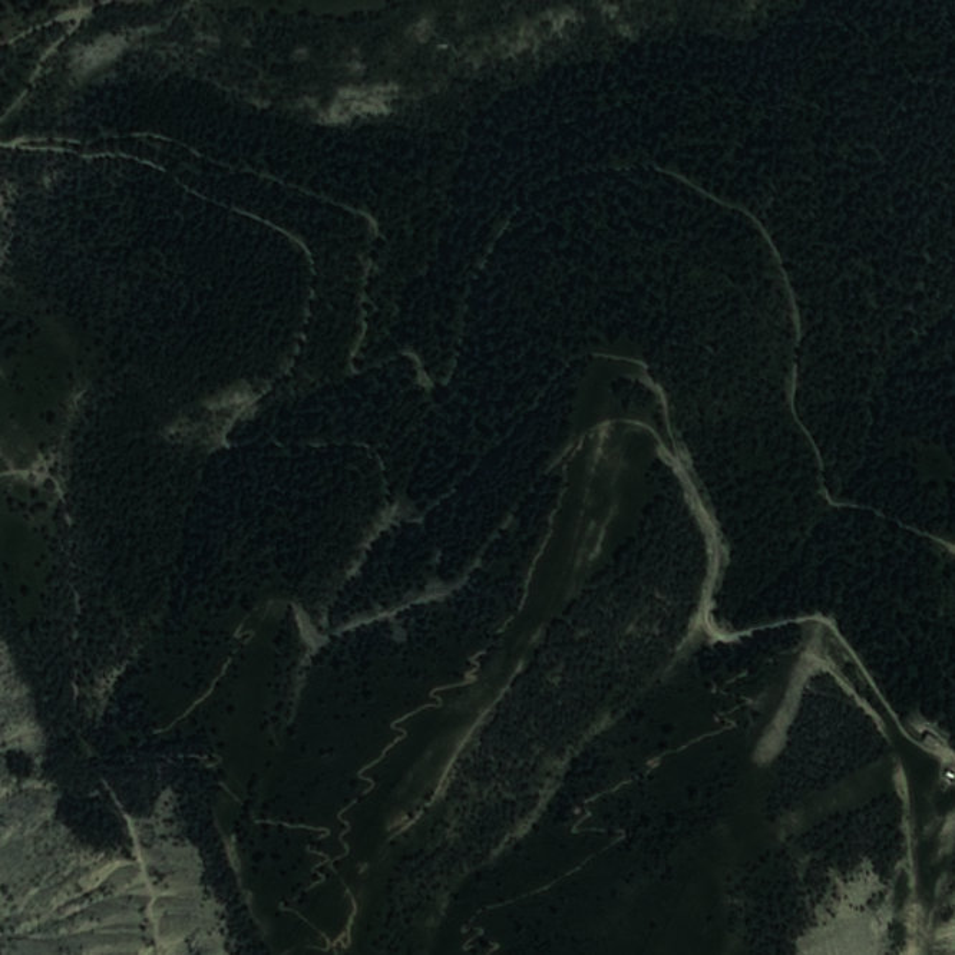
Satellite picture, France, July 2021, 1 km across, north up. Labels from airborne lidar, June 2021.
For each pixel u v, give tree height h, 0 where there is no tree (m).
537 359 19
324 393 11
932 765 0
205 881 6
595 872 0
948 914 8
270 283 18
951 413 19
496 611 12
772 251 8
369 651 11
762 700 0
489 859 8
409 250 14
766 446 11
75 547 11
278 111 7
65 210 19
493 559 9
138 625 14
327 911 0
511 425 25
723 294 12
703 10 19
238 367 12
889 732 0
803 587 20
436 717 0
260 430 20
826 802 0
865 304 13
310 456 21
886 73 23
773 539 12
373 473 15
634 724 6
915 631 10
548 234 29
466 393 10
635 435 0
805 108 6
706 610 0
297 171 17
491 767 10
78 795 8
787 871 6
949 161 13
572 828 0
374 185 10
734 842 0
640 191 34
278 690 7
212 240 14
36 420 0
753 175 11
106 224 17
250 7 7
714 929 0
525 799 10
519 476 21
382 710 0
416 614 10
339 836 0
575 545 0
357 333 12
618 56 21
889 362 13
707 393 9
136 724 19
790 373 10
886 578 26
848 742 10
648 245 12
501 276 8
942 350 11
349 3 0
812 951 0
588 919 0
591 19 10
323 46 9
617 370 0
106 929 0
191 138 19
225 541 23
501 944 0
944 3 18
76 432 11
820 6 28
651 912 0
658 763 0
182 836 7
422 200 9
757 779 0
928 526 16
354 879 0
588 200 27
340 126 6
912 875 0
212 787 16
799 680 0
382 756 0
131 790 10
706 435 18
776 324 10
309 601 8
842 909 0
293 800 0
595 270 25
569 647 15
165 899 0
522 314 11
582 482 0
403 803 0
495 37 6
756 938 9
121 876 0
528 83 7
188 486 16
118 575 13
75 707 6
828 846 6
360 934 0
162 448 12
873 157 25
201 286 10
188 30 7
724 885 0
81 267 12
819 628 0
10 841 0
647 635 6
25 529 0
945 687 12
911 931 0
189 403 10
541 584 0
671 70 19
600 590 9
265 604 0
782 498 12
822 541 22
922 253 27
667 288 13
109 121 21
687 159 11
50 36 13
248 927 8
